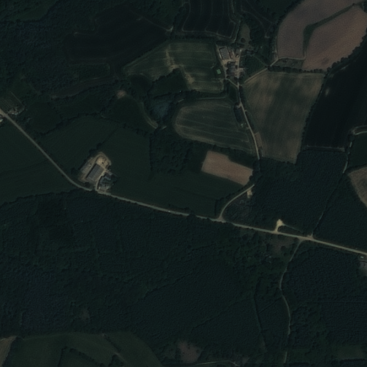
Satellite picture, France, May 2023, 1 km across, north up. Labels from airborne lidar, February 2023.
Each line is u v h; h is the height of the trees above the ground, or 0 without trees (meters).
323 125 0
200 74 0
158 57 0
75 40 0
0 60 16
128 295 20
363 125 0
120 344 0
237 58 0
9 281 17
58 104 10
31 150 0
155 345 9
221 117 0
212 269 16
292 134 0
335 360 7
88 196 12
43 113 0
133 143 0
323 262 20
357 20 0
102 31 0
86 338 0
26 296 22
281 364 0
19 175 0
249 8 0
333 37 0
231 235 11
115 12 0
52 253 11
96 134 0
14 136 0
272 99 0
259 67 5
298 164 13
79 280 18
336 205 15
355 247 13
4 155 0
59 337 0
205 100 0
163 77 12
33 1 10
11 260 20
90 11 20
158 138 15
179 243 10
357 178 0
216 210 9
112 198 9
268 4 0
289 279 15
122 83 10
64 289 17
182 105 0
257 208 9
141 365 0
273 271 7
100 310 12
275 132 0
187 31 0
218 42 10
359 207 12
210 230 14
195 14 0
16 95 0
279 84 0
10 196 0
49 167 0
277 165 15
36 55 21
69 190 0
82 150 0
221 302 15
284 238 6
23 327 17
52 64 17
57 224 6
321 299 19
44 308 22
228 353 8
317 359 8
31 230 11
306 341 22
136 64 0
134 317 14
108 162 0
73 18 14
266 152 0
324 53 0
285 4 0
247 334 16
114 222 10
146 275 10
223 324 15
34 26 16
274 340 16
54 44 20
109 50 0
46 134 8
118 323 13
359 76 0
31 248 12
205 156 0
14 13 14
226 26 0
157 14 11
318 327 7
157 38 0
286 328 11
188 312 15
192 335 11
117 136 0
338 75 0
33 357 0
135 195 0
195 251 14
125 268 10
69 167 0
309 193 12
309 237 0
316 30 0
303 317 14
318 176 14
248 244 10
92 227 15
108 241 13
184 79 0
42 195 10
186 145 15
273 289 7
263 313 16
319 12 0
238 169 0
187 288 17
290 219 11
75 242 9
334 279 20
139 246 17
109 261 12
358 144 0
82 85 0
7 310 19
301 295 21
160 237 15
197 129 0
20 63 21
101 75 6
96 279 24
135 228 15
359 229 14
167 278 13
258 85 0
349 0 0
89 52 0
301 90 0
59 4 16
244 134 0
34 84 16
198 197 0
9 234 13
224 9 0
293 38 0
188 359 0
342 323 23
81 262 13
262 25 0
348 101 0
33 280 22
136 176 0
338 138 0
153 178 0
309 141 0
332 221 16
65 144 0
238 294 11
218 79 0
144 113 0
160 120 15
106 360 0
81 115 10
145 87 0
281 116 0
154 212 10
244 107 10
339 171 12
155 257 10
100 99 6
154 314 16
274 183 16
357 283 11
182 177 0
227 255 9
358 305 24
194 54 0
